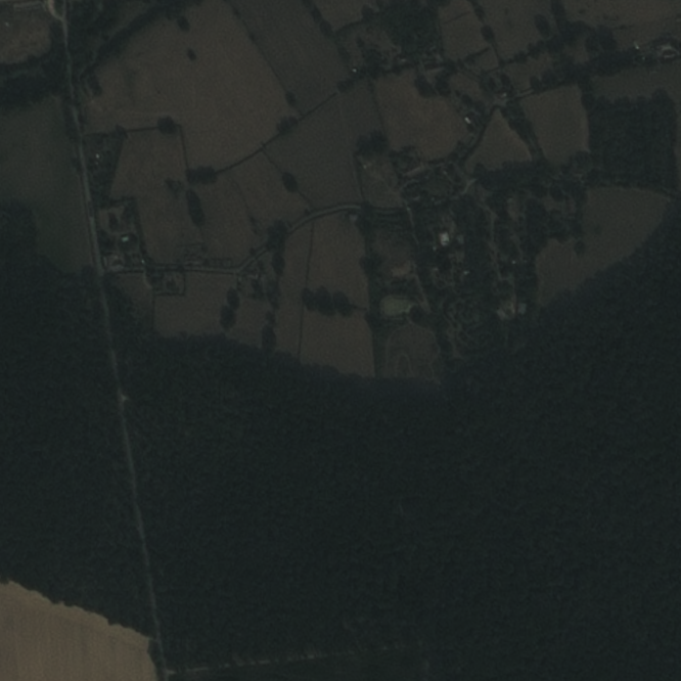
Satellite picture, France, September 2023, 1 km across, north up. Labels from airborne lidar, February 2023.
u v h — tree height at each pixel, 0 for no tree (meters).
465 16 0
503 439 29
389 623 22
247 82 0
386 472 34
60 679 0
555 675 27
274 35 0
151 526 23
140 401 18
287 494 30
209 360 25
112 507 23
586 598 25
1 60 0
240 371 24
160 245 0
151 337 20
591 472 10
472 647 30
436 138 0
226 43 0
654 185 11
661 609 24
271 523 28
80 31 21
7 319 32
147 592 19
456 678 23
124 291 7
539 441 21
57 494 29
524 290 10
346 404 31
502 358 26
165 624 22
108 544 29
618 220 0
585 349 23
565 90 0
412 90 0
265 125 0
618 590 26
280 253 8
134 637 0
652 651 25
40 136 0
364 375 0
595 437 10
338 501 33
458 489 31
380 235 0
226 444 23
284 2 0
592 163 8
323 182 0
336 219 0
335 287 0
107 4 16
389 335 0
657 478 27
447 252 8
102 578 26
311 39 0
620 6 0
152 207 0
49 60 12
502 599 32
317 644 28
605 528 27
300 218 0
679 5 0
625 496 19
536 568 33
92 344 22
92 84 15
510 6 0
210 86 0
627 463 26
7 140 0
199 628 29
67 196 0
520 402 30
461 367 0
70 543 27
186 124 0
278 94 0
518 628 32
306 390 29
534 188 16
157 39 0
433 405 33
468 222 21
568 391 15
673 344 29
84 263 0
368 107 0
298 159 0
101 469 24
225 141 0
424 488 32
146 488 18
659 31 0
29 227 22
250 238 0
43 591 16
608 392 32
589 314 31
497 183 19
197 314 0
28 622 0
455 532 31
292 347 0
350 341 0
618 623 24
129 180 0
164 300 0
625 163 12
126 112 0
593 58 10
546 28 18
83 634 0
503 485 23
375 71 11
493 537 20
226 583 31
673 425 30
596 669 31
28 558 31
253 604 31
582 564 26
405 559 27
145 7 0
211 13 0
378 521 31
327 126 0
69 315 27
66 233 0
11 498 33
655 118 10
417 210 14
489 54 0
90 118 0
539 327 28
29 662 0
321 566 32
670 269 27
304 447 32
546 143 0
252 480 25
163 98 0
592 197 0
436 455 31
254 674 0
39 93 18
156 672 8
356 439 35
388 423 35
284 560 30
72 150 0
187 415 17
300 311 0
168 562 26
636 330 32
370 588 26
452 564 16
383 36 0
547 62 0
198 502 26
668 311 29
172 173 0
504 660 31
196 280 0
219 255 0
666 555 25
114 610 21
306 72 0
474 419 27
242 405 23
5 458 23
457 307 6
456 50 0
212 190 0
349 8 0
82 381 24
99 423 22
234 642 33
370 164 0
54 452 28
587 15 0
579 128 0
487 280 15
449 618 32
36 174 0
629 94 0
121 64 0
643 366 30
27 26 0
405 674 0
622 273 17
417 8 12
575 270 0
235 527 27
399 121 0
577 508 24
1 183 0
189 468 23
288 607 35
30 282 26
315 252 0
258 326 0
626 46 0
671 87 0
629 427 29
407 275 0
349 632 31
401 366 0
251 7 0
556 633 26
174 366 25
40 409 29
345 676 0
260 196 0
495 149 0
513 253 17
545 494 28
